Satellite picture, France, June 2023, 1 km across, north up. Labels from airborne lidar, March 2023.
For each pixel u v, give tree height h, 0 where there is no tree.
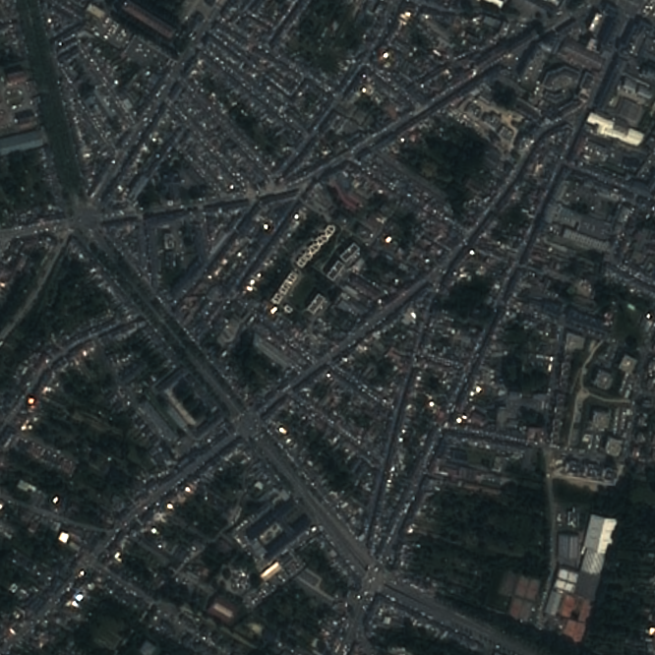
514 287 0
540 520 12
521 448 0
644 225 9
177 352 12
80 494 10
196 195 15
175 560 0
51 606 0
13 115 0
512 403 0
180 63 0
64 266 15
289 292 0
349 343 0
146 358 7
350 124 0
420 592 0
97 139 0
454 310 9
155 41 10
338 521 0
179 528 7
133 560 7
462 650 8
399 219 5
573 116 0
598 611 17
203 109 0
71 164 17
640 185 0
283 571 0
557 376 0
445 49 0
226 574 12
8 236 0
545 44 0
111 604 11
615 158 0
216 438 0
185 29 12
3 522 0
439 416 0
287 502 0
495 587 0
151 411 0
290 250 0
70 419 7
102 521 7
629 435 0
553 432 0
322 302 0
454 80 0
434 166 0
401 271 14
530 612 0
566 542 0
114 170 0
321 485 0
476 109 0
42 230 0
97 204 0
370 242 0
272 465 7
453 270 0
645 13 0
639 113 0
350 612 10
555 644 19
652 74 0
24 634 0
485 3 14
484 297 9
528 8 0
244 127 8
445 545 8
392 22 6
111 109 0
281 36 0
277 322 0
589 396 0
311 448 8
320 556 8
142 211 0
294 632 11
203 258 0
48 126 22
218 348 15
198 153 0
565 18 0
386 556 0
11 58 9
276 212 0
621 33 0
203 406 19
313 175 0
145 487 0
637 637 13
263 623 0
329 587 0
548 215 0
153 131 0
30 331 6
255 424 0
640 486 6
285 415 6
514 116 0
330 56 0
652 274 0
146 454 9
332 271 0
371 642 14
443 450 0
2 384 11
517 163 0
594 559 0
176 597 7
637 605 14
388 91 0
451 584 8
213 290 0
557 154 0
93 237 0
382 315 0
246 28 0
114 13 10
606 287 11
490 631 0
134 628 7
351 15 0
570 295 8
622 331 0
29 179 0
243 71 0
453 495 12
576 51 0
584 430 0
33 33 14
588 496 0
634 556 6
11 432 0
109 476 14
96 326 0
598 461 0
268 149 10
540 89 0
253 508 13
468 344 0
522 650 0
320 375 0
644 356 0
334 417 0
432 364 0
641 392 0
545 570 10
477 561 6
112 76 0
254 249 0
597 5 0
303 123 0
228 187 0
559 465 0
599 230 0
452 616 0
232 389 8
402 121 0
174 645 8
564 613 0
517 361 17
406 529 0
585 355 0
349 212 7
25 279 10
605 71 0
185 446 0
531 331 6
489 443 0
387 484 0
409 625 16
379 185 0
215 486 7
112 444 16
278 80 0
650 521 15
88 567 0
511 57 0
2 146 0
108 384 9
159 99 0
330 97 0
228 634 0
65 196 17
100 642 0
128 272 10
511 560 8
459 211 8
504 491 10
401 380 0
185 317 0
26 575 9
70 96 0
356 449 0
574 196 0
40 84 22
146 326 0
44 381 0
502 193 0
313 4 9
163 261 0
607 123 0
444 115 0
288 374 0
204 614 9
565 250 0
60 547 8
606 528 0
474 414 0
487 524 17
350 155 0
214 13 0
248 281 0
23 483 0
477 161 11
